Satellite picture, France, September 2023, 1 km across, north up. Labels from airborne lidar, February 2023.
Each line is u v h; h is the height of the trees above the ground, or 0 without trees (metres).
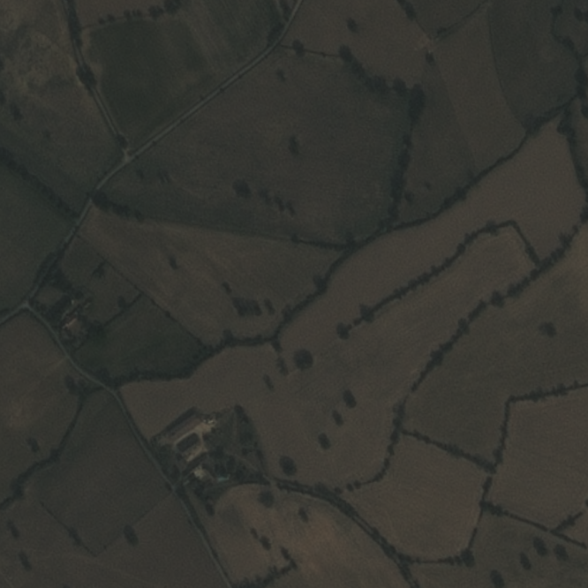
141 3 0
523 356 0
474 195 0
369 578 0
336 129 0
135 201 0
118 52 0
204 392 0
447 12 0
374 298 0
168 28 0
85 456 0
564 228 0
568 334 0
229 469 10
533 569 0
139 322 0
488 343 0
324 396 0
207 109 0
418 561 8
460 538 0
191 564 0
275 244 0
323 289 12
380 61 0
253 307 13
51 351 0
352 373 0
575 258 0
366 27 0
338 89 0
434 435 0
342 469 0
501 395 0
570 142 13
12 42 0
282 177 0
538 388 0
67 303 12
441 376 0
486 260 0
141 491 0
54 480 0
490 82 0
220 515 0
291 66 0
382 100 0
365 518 0
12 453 0
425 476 0
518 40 0
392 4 0
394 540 0
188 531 0
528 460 0
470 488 0
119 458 0
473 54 0
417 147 0
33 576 0
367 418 0
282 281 0
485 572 0
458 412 0
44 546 0
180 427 0
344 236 0
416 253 0
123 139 12
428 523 0
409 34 0
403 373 0
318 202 0
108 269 0
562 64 0
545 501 0
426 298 0
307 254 0
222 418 0
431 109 0
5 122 0
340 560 0
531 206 0
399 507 0
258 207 0
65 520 0
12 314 0
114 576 0
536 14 0
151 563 0
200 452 0
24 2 0
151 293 0
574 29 0
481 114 0
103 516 0
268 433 0
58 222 0
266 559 0
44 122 0
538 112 0
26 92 0
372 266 0
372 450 0
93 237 0
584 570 0
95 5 0
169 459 0
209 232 0
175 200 0
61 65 0
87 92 15
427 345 0
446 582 0
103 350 0
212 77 0
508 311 0
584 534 0
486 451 0
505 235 0
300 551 0
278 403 0
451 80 0
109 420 0
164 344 0
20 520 0
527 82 0
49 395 0
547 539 0
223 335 0
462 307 0
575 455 0
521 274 0
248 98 0
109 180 0
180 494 12
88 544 0
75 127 0
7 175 0
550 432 0
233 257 0
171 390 0
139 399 0
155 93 0
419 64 0
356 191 0
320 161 0
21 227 0
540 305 0
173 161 0
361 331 0
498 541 0
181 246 0
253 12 0
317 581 0
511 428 0
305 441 0
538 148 0
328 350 0
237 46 0
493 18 0
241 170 0
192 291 0
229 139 0
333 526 0
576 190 0
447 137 0
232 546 0
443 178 0
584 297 0
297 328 0
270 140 0
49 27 0
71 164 0
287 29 0
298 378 0
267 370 0
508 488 0
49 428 0
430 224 0
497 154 0
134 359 0
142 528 0
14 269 0
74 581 0
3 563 0
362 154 0
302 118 0
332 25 0
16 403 0
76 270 0
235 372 0
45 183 0
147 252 0
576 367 0
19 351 0
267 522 0
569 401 0
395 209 14
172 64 0
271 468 0
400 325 0
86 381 0
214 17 0
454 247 0
